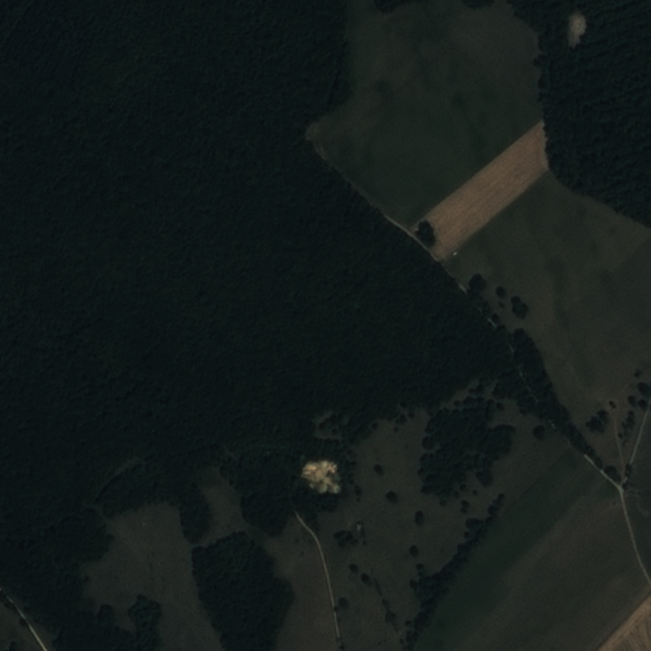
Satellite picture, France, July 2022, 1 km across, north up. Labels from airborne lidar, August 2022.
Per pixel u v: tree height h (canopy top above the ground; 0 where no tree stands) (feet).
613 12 31
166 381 41
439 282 62
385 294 46
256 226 47
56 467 45
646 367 0
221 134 43
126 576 0
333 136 0
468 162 0
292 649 0
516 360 35
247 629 27
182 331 43
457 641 0
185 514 36
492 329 49
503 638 0
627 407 0
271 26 55
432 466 28
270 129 48
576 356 0
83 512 51
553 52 48
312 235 64
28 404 61
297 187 48
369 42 0
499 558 0
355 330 37
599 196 34
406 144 0
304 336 40
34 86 49
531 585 0
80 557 45
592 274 0
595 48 45
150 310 43
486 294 0
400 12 0
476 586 0
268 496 31
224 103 41
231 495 0
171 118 47
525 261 0
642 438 0
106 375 32
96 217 49
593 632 0
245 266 37
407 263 36
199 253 37
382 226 48
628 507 0
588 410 0
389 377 38
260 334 45
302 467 23
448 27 0
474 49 0
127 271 36
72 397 43
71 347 48
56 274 51
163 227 39
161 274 43
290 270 46
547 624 0
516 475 0
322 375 45
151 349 52
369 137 0
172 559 0
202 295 56
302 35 51
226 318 41
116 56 36
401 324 44
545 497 0
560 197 0
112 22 47
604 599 0
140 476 34
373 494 0
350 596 0
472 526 57
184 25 44
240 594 37
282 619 0
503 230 0
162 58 32
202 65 44
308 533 0
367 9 0
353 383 43
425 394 31
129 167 65
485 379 34
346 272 50
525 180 0
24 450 56
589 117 65
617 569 0
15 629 0
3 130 59
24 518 55
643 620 0
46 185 52
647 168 48
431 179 0
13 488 59
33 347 45
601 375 0
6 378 45
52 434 50
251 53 53
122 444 46
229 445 22
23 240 46
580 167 61
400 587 0
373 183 0
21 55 49
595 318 0
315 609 0
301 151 44
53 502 46
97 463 31
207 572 28
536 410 30
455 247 0
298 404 41
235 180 45
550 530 0
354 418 27
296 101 48
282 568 0
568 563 0
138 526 0
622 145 61
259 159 39
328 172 66
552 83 49
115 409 41
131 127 56
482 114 0
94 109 44
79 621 50
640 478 0
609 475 31
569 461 0
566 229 0
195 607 0
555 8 50
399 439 0
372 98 0
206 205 40
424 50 0
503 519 0
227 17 65
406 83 0
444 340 53
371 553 0
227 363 49
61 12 38
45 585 40
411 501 0
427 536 0
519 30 0
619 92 49
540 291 0
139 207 47
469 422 36
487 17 0
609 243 0
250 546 27
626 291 0
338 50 57
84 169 64
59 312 32
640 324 0
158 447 46
